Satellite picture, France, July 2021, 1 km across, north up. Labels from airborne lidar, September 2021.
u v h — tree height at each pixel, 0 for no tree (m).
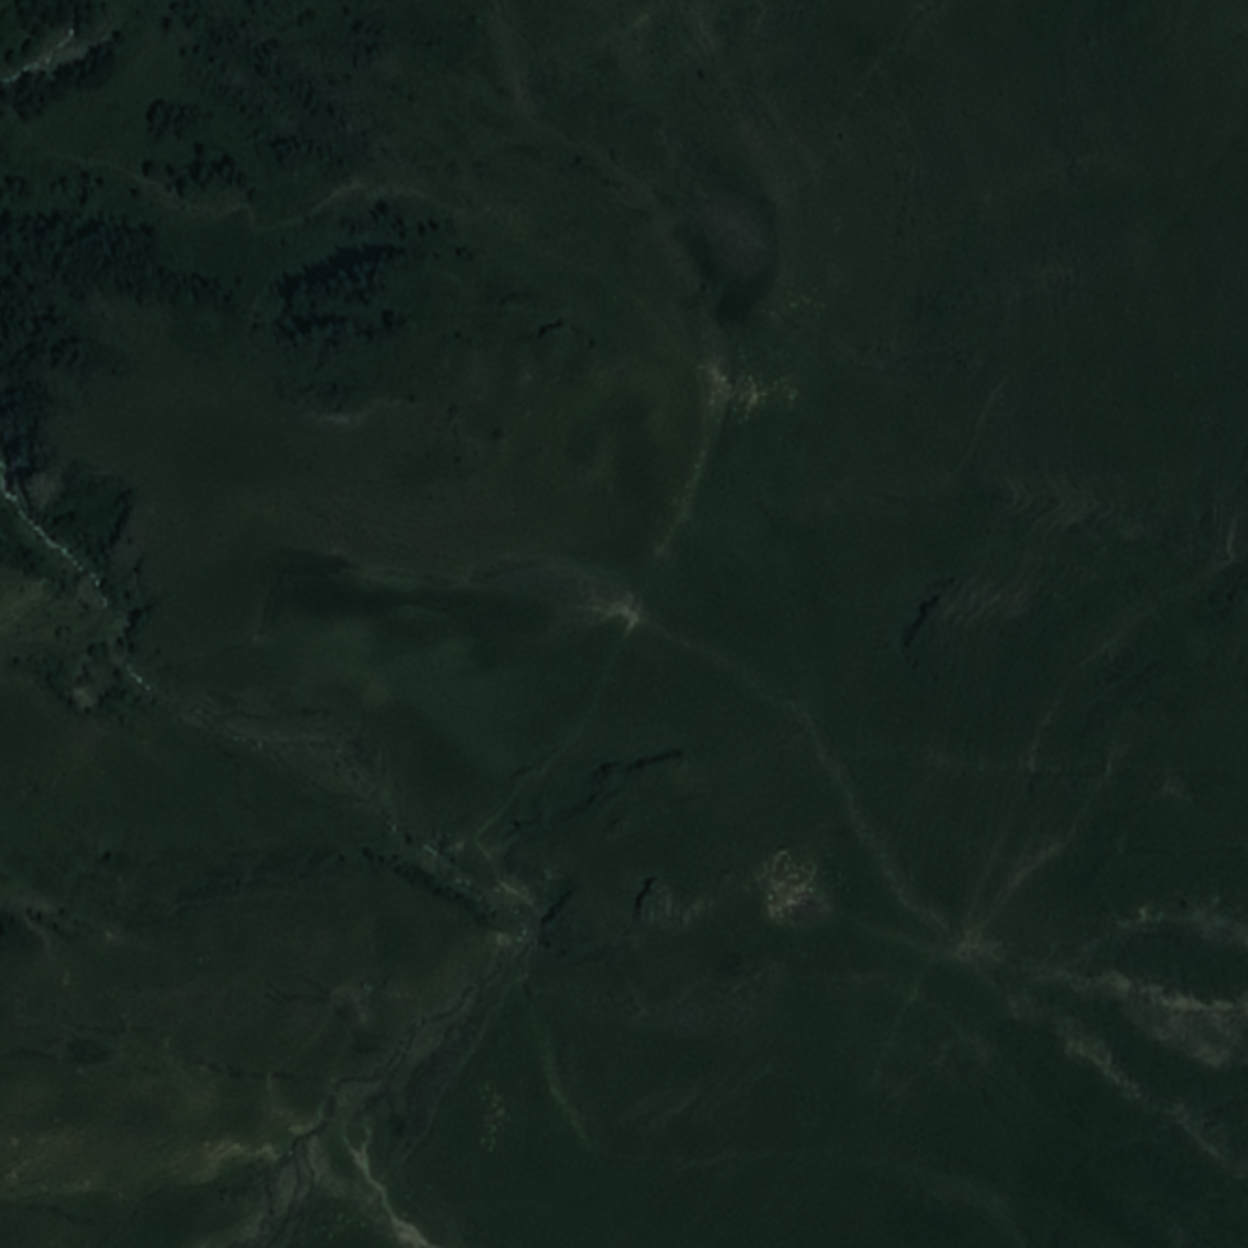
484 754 0
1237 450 0
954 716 0
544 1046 0
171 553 0
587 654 0
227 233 0
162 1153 0
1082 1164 0
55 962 0
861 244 0
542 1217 0
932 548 0
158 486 0
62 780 0
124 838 0
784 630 0
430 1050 0
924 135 0
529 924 0
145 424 0
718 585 0
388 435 0
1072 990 0
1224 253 0
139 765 0
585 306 0
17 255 9
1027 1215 0
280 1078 0
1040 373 0
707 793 0
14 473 10
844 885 0
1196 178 0
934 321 0
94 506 0
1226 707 0
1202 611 0
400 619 0
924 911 0
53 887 0
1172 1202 0
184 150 0
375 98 0
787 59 0
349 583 0
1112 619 0
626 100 0
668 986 0
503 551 0
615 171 0
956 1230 0
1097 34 0
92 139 0
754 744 0
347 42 0
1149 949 0
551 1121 0
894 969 0
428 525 0
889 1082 0
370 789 0
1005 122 0
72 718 0
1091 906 0
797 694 0
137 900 0
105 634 0
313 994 0
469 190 0
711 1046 0
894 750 0
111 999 0
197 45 8
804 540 0
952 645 0
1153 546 0
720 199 0
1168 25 0
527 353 0
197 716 0
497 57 0
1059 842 0
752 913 0
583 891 0
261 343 0
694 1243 0
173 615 0
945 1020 0
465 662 0
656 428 0
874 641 0
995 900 0
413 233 6
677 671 0
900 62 0
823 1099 0
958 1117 0
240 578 0
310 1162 0
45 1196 0
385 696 0
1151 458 0
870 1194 0
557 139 0
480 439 0
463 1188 0
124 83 0
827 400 0
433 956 0
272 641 0
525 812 0
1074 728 0
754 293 0
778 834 0
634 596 0
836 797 0
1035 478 0
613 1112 0
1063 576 0
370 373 0
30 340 13
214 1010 0
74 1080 0
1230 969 0
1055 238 0
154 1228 0
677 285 0
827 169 0
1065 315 0
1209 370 0
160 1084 0
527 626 0
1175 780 0
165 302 7
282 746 0
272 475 0
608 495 0
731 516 0
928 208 0
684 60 0
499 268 0
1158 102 0
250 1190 0
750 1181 0
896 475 0
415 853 0
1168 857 0
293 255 0
